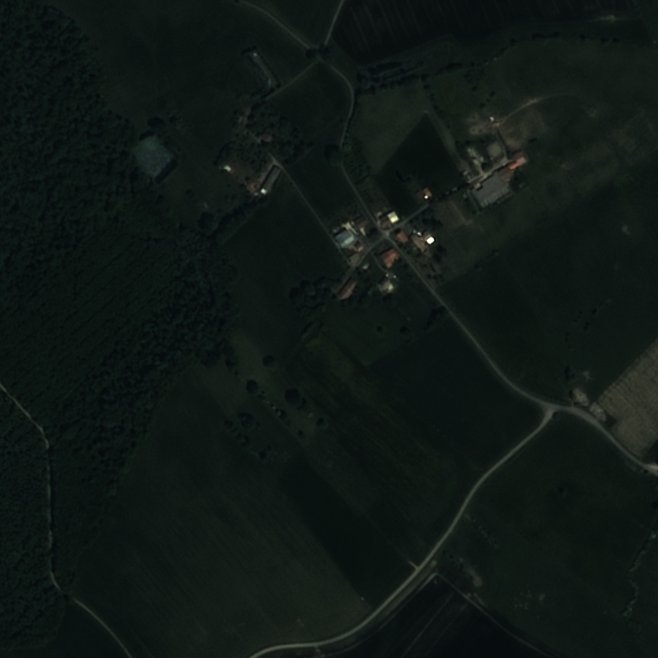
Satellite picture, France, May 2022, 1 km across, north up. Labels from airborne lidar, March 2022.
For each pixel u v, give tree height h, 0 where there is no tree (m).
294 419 0
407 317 0
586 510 0
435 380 0
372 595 0
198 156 0
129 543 0
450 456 0
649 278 0
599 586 0
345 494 0
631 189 0
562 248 0
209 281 27
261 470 0
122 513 0
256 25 0
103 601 0
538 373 0
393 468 0
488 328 0
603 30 0
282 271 0
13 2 20
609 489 0
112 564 0
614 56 0
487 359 0
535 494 0
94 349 15
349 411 0
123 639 0
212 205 0
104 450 14
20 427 15
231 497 0
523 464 0
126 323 13
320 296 15
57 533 15
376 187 0
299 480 0
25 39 22
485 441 0
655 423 0
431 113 0
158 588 0
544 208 0
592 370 0
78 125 23
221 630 0
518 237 0
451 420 0
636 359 0
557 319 0
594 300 0
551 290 0
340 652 0
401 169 0
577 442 0
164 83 0
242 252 0
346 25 0
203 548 0
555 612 0
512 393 0
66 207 20
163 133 17
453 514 0
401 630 0
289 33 0
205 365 19
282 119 13
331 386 0
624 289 0
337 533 0
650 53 0
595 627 0
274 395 0
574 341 0
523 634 0
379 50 0
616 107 0
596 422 0
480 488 0
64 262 15
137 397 25
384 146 0
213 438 0
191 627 0
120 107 0
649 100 0
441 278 7
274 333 0
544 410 0
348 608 0
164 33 0
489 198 0
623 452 0
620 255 0
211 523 0
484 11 0
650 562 0
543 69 0
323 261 0
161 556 0
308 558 0
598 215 0
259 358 0
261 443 0
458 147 7
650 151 0
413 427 0
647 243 0
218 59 0
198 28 0
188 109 0
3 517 16
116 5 0
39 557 16
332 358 0
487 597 0
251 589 0
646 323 0
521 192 0
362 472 0
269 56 0
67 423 9
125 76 0
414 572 0
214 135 0
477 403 0
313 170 0
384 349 0
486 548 0
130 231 10
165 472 0
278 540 0
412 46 0
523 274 0
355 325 0
